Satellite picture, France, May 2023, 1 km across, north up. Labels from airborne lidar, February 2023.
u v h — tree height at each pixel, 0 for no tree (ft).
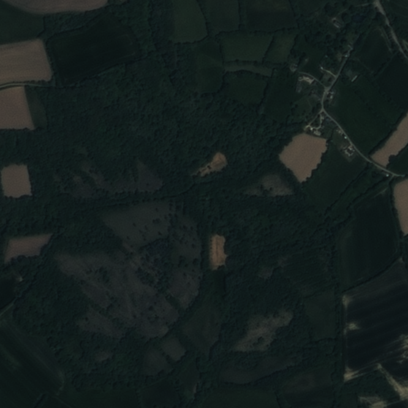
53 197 65
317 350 58
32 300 68
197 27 0
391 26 44
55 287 30
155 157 43
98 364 27
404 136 0
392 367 0
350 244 0
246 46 0
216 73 0
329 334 0
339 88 0
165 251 71
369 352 0
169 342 0
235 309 40
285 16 0
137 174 25
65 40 0
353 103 0
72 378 27
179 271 0
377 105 0
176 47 36
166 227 0
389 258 0
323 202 0
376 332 0
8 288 0
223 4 0
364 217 0
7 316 0
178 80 54
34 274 38
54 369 0
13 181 0
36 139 51
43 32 33
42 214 30
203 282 36
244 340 0
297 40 36
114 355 25
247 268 52
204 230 47
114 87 30
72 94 67
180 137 57
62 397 0
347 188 30
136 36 49
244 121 52
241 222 26
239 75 43
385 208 0
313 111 30
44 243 0
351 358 0
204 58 0
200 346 0
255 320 0
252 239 33
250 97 0
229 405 0
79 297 32
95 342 48
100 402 0
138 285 0
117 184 0
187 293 0
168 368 0
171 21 44
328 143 40
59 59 0
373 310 0
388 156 0
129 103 30
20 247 0
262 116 27
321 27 30
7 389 0
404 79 0
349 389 30
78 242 32
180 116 52
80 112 52
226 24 0
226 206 43
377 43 0
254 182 36
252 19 0
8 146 62
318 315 0
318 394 0
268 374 0
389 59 24
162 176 34
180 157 48
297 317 28
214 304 26
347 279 0
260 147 28
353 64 40
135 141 59
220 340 51
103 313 27
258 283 43
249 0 0
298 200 36
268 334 0
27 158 50
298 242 31
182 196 41
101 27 0
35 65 0
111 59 0
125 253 28
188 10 0
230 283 51
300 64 23
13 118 0
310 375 0
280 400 46
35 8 0
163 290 33
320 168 31
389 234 0
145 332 0
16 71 0
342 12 0
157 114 23
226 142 33
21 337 0
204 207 47
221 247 0
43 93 40
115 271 0
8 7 0
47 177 54
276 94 0
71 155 49
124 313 0
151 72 65
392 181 21
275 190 0
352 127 0
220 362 45
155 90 64
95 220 48
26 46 0
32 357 0
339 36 50
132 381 29
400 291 0
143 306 0
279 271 42
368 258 0
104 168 50
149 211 0
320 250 32
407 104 0
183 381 0
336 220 23
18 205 50
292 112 33
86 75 0
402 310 0
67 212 48
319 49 31
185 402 41
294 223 32
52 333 45
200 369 53
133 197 33
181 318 36
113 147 51
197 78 43
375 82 25
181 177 47
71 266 0
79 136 59
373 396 0
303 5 0
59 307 51
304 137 0
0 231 25
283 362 0
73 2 0
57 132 56
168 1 39
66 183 40
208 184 52
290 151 0
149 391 0
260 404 0
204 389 39
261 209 47
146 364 0
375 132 0
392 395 30
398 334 0
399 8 0
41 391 0
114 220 0
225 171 52
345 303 0
